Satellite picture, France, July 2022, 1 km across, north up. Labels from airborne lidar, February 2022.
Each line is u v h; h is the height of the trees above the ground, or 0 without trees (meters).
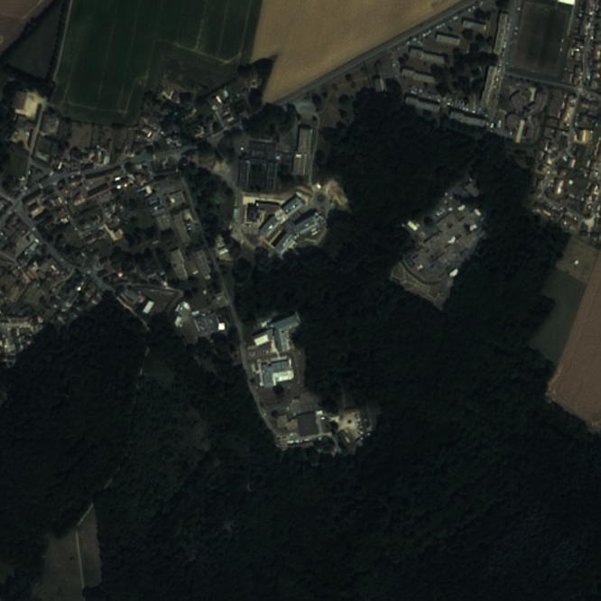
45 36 0
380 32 0
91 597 22
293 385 0
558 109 0
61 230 7
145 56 0
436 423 29
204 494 9
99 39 0
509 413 28
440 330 23
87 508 7
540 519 30
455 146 27
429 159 29
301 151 0
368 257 23
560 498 18
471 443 17
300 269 28
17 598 24
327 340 26
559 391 0
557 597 23
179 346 20
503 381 22
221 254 0
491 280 22
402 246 15
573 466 11
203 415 6
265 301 26
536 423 25
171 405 15
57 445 31
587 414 0
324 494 22
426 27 0
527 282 23
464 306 22
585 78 0
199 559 12
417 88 0
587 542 12
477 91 8
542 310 17
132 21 0
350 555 19
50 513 23
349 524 26
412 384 23
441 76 25
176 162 0
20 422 20
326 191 0
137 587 24
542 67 0
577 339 0
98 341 26
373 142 25
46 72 0
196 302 0
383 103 26
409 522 18
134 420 13
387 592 31
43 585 0
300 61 0
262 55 0
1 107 11
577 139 0
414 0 0
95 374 24
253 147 0
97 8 0
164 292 0
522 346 21
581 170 0
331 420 0
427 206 22
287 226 0
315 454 18
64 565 0
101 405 25
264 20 0
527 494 20
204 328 0
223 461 12
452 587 22
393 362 26
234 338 21
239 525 10
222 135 0
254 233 0
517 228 16
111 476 9
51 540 0
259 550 19
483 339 27
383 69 0
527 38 0
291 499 22
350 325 28
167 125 19
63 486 26
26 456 29
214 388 19
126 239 0
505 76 0
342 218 28
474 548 16
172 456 10
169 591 27
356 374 18
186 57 0
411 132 28
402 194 26
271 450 16
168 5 0
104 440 24
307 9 0
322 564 18
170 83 0
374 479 15
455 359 21
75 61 0
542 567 22
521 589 24
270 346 0
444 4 0
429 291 0
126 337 21
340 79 0
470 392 18
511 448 18
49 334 22
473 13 0
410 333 22
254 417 19
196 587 21
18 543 20
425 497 22
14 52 10
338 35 0
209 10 0
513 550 27
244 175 0
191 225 0
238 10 0
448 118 12
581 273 0
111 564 18
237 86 0
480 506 24
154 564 21
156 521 21
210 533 13
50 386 27
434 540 17
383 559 32
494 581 25
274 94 0
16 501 27
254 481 8
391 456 10
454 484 28
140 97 0
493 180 23
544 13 0
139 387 15
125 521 16
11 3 0
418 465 22
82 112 0
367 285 29
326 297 22
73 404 25
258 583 24
